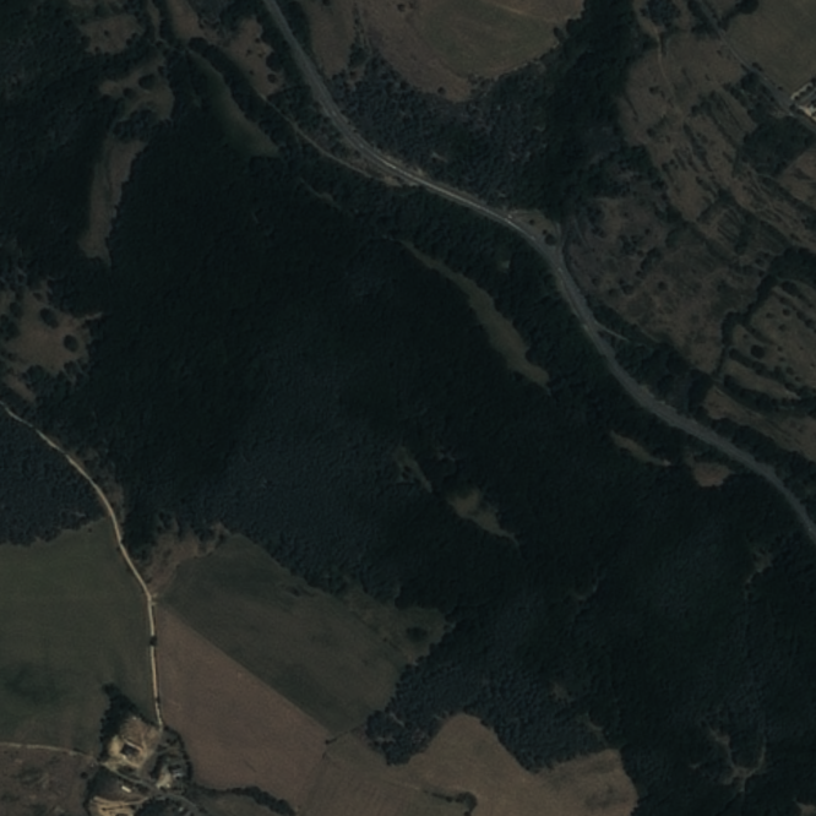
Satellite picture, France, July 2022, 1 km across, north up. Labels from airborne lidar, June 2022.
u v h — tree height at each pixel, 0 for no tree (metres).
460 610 14
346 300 23
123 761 0
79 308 18
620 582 24
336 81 8
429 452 19
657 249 7
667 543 18
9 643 0
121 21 0
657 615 21
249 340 27
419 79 0
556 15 0
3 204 17
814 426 0
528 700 16
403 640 0
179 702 0
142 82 14
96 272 18
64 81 15
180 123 15
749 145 8
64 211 13
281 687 0
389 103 13
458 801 6
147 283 14
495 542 25
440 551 10
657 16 18
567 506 25
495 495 25
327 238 21
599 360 16
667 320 0
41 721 0
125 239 14
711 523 18
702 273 0
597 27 30
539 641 10
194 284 27
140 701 0
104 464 9
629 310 0
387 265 27
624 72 8
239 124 0
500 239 11
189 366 16
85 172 21
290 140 17
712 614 21
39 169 12
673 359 11
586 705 9
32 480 23
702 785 15
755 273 6
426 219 16
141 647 0
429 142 22
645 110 0
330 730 0
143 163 17
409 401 21
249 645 0
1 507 18
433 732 17
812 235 0
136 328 27
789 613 14
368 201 14
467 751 0
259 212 11
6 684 0
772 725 18
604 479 24
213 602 0
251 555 0
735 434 18
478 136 12
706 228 0
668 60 0
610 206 0
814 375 0
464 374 18
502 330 0
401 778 0
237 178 20
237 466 15
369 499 22
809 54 0
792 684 22
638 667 19
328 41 0
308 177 20
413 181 0
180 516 11
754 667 17
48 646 0
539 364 20
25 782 0
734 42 0
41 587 0
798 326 0
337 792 0
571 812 0
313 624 0
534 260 13
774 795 19
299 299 22
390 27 0
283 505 21
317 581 15
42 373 16
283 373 17
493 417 17
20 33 11
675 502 30
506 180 20
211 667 0
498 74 0
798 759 11
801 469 18
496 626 21
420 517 22
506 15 0
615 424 26
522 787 0
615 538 24
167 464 17
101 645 0
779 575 16
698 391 20
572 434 23
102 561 0
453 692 17
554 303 11
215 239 26
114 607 0
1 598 0
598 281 8
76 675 0
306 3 0
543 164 18
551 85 6
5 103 14
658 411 0
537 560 24
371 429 19
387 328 23
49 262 26
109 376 14
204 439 16
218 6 0
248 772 0
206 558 0
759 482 22
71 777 0
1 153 11
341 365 18
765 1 0
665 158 0
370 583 19
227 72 20
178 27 0
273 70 17
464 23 0
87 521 11
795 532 22
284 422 19
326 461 20
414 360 22
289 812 9
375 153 0
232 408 25
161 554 0
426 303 21
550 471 26
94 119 15
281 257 15
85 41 12
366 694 0
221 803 0
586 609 13
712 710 17
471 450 29
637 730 11
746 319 11
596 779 0
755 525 23
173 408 16
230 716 0
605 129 0
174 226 19
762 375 10
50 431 11
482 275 20
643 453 0
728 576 18
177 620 0
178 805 8
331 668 0
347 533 23
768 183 9
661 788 14
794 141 8
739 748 18
